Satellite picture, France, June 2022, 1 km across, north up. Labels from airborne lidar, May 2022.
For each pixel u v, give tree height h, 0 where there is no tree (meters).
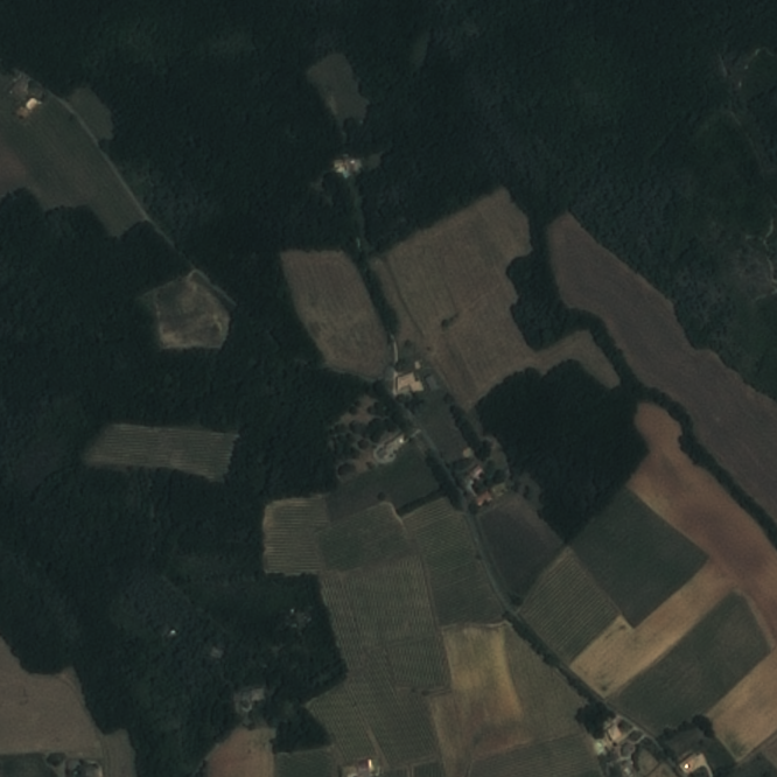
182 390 15
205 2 14
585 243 0
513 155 24
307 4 12
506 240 0
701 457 21
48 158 0
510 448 19
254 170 17
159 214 8
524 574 0
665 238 14
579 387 17
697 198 8
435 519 0
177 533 17
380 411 12
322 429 12
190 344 0
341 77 0
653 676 0
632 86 17
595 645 0
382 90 20
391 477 0
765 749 0
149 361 19
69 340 16
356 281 0
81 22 13
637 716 0
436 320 0
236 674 9
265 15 19
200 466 0
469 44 16
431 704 0
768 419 0
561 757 0
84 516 11
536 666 0
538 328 21
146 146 21
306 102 17
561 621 0
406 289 0
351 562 0
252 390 17
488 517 0
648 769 0
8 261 21
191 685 14
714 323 9
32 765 0
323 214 19
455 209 7
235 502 15
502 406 14
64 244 17
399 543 0
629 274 0
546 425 17
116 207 0
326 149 18
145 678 12
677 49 9
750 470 0
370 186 19
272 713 15
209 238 16
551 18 9
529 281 11
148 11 15
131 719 22
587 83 9
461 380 0
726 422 0
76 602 22
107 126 0
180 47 14
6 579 16
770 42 15
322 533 0
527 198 13
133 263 18
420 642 0
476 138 26
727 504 0
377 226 18
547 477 12
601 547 0
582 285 0
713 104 16
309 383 12
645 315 0
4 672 0
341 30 10
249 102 16
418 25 17
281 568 0
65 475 14
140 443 0
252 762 0
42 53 13
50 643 16
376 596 0
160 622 19
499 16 12
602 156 6
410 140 23
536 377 13
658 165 8
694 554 0
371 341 0
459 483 16
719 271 14
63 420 7
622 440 9
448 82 21
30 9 14
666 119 20
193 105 16
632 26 18
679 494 0
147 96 16
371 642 0
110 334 10
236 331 15
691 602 0
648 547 0
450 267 0
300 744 13
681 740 0
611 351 15
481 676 0
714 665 0
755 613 0
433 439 0
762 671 0
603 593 0
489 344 0
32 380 16
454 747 0
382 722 0
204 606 8
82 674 15
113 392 18
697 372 0
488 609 0
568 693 0
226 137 19
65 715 0
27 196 20
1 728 0
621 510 0
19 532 20
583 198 11
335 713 0
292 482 18
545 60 12
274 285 14
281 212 21
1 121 0
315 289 0
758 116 15
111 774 0
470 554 0
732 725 0
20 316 13
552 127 11
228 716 12
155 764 14
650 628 0
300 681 15
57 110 0
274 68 17
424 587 0
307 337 13
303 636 7
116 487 14
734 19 14
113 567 17
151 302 0
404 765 0
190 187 14
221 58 10
